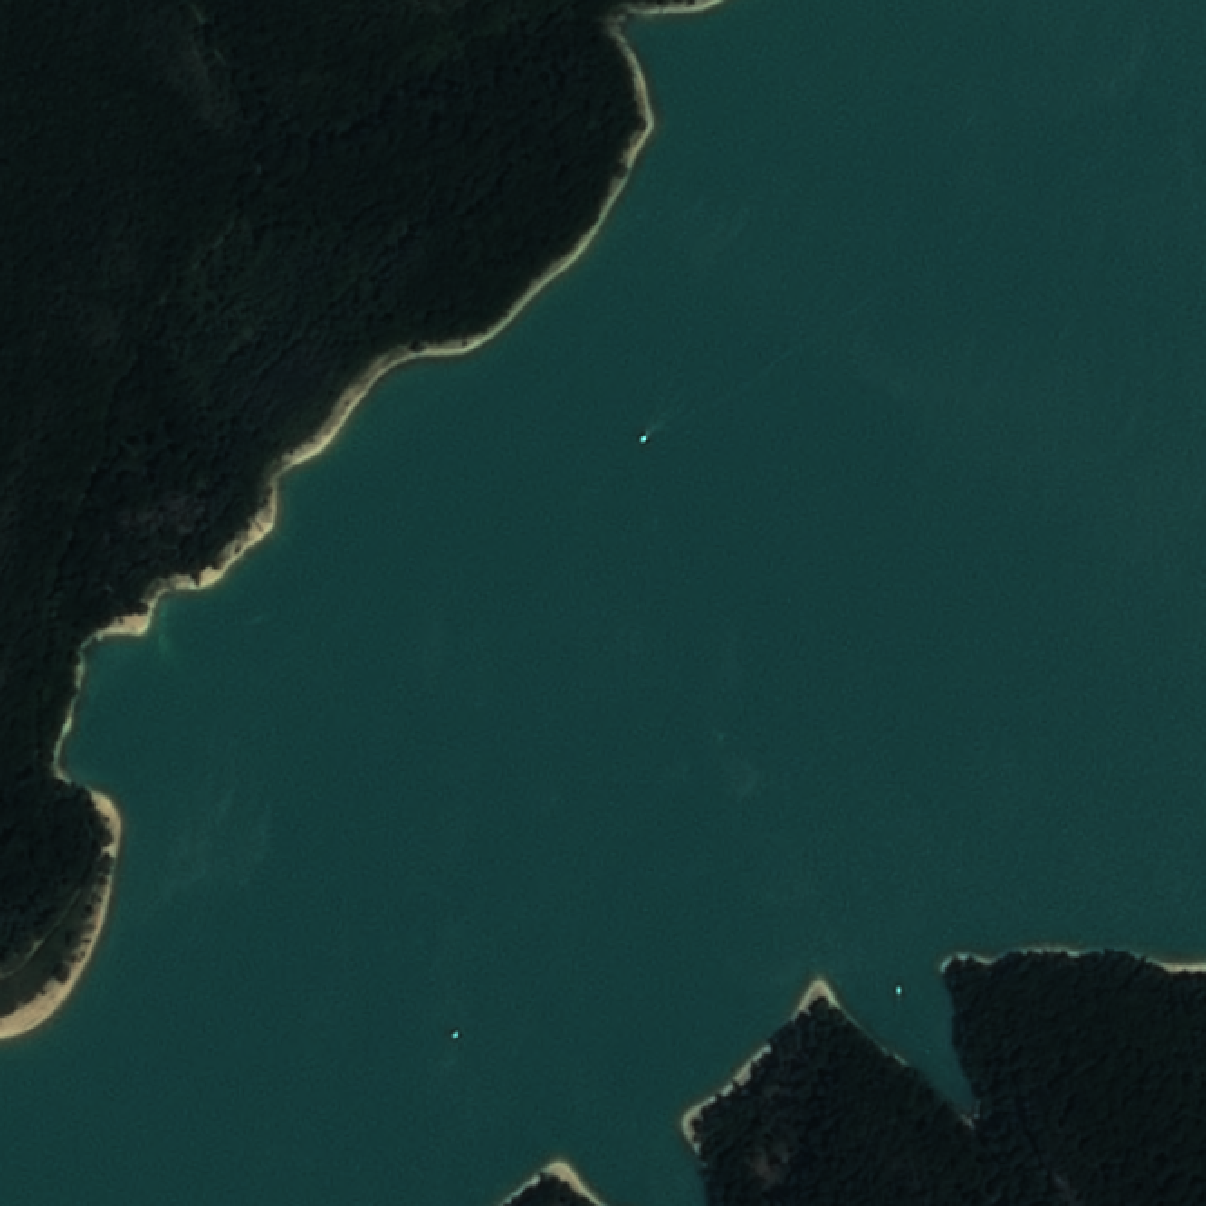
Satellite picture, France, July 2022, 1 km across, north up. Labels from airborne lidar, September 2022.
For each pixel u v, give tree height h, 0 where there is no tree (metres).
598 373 0
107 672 0
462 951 0
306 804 0
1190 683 0
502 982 0
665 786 0
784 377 0
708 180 0
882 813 0
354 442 0
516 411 0
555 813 0
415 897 0
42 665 17
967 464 0
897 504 0
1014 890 0
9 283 17
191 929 0
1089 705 0
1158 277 0
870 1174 9
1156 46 0
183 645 0
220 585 0
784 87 0
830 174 0
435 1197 0
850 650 0
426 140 16
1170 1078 21
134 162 9
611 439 0
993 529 0
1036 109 0
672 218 0
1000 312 0
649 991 0
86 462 22
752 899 0
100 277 14
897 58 0
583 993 0
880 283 0
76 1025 0
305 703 0
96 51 18
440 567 0
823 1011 10
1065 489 0
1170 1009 19
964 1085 0
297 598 0
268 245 19
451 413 0
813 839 0
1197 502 0
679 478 0
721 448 0
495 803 0
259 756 0
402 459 0
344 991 0
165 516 21
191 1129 0
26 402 16
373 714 0
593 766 0
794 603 0
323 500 0
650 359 0
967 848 0
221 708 0
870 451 0
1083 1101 21
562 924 0
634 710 0
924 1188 7
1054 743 0
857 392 0
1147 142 0
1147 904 0
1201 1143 16
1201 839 0
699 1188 0
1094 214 0
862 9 0
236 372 14
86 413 21
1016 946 0
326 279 18
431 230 17
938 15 0
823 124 0
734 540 0
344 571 0
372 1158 0
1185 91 0
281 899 0
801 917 0
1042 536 0
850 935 0
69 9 27
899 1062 18
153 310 21
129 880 0
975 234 0
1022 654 0
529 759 0
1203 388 0
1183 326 0
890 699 0
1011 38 0
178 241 21
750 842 0
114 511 19
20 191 16
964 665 0
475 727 0
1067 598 0
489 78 25
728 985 0
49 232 15
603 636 0
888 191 0
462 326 17
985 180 0
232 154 17
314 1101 0
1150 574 0
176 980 0
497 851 0
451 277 18
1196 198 0
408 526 0
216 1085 0
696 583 0
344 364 14
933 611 0
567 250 8
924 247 0
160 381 18
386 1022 0
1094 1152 17
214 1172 0
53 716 14
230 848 0
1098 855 0
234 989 0
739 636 0
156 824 0
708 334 0
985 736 0
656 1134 0
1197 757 0
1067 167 0
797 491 0
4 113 19
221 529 18
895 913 0
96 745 0
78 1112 0
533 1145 0
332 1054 0
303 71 14
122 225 11
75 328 12
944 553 0
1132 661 0
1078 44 0
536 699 0
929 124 0
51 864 21
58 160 17
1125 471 0
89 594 22
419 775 0
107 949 0
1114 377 0
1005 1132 22
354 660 0
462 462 0
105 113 13
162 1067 0
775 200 0
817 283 0
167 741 0
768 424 0
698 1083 0
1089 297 0
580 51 19
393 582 0
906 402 0
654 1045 0
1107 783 0
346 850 0
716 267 0
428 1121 0
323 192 16
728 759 0
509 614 0
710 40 0
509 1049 0
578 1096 0
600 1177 0
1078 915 0
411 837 0
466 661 0
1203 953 0
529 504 0
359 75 17
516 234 19
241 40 16
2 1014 0
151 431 6
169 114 14
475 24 28
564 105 18
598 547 0
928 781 0
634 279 0
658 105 0
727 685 0
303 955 0
